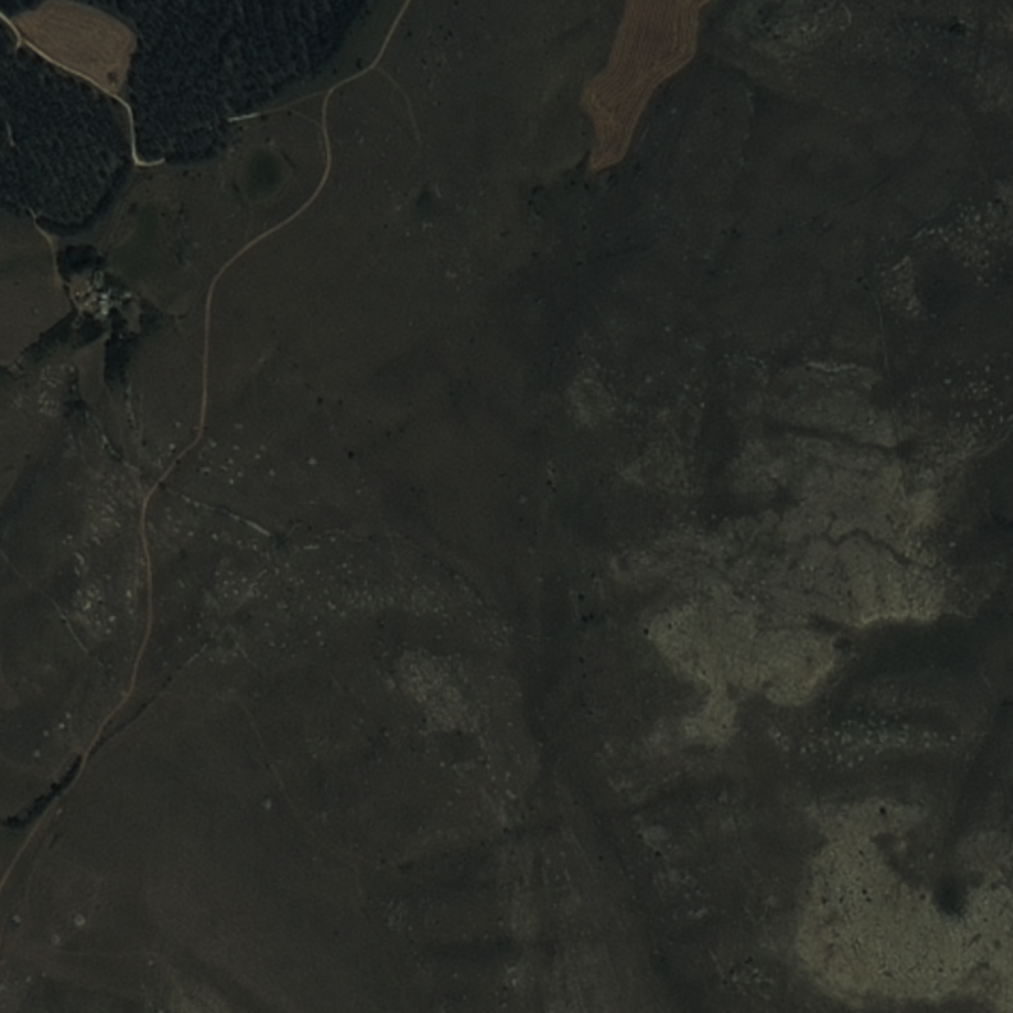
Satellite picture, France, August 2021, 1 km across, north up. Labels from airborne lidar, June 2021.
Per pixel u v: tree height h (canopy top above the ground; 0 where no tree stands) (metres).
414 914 0
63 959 0
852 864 0
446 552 0
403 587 0
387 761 0
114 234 0
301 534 0
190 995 0
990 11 0
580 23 0
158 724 0
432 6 0
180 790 0
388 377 0
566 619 0
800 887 0
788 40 0
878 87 0
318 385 0
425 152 0
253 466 0
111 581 0
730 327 0
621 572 0
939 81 0
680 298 0
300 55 12
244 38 14
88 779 0
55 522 0
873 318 0
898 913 0
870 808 0
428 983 0
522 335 0
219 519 0
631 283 0
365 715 0
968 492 0
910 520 0
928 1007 0
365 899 0
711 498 0
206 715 0
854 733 0
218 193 0
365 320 0
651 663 0
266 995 0
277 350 0
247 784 0
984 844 0
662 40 0
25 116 14
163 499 0
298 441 0
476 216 0
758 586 0
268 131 0
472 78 0
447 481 0
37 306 0
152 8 13
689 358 0
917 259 0
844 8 0
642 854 0
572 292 0
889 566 0
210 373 0
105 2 13
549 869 0
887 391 0
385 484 0
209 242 0
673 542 0
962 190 0
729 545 0
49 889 0
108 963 0
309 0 14
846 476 0
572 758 0
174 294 0
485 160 0
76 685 0
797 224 0
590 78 0
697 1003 0
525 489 0
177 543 0
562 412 0
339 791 0
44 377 0
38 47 0
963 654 0
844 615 0
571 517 0
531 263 0
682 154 0
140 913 0
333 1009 0
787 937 0
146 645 0
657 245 0
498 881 0
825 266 0
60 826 0
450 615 0
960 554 0
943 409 0
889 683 0
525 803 0
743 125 0
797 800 0
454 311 0
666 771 0
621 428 0
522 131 0
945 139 0
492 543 0
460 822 0
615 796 0
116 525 0
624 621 0
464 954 0
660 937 0
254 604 0
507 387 0
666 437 0
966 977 0
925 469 0
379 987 0
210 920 0
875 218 0
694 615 0
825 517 0
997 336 0
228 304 0
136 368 0
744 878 0
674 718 0
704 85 0
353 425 0
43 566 0
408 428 0
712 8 0
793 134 0
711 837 0
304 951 0
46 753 0
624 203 0
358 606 0
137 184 0
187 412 0
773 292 0
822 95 0
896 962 0
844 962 0
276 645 0
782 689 0
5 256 0
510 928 0
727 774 0
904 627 0
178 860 0
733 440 0
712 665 0
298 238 0
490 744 0
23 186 13
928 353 0
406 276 0
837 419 0
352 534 0
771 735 0
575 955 0
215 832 0
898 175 0
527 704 0
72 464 0
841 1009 0
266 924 0
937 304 0
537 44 0
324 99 0
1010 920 0
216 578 0
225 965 0
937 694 0
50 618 0
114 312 9
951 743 0
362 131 0
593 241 0
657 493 0
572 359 0
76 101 13
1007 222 0
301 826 0
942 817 0
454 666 0
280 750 0
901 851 0
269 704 0
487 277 0
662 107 0
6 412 0
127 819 0
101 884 0
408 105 0
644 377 0
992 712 0
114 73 0
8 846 0
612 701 0
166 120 14
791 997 0
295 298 0
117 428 0
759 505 0
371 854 0
